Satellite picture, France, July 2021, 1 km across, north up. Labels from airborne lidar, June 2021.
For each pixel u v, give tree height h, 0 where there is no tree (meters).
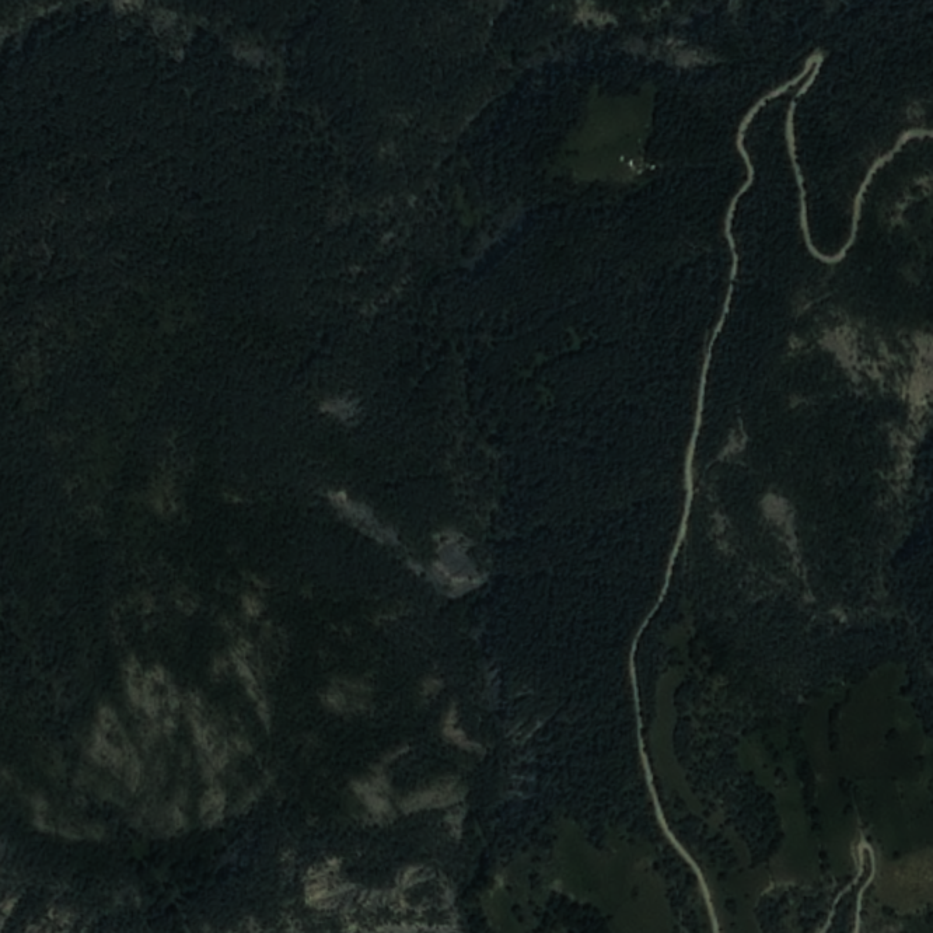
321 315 13
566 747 9
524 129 11
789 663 6
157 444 8
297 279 13
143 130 16
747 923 0
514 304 8
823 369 8
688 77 12
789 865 0
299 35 10
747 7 7
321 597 9
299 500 12
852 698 5
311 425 10
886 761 0
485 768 14
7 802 6
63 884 9
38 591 7
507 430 17
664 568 8
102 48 13
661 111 9
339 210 7
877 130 6
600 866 0
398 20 11
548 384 8
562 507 14
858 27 12
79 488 6
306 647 11
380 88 9
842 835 0
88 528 9
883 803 0
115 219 9
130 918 11
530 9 12
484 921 13
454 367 16
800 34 12
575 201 11
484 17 9
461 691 12
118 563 9
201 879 16
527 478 9
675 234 6
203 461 6
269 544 10
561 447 9
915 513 9
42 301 14
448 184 15
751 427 6
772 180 7
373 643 8
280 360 12
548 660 11
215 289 10
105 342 10
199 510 10
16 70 14
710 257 7
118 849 11
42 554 8
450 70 12
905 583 10
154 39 7
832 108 9
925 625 8
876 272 9
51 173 15
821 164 7
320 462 8
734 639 8
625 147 0
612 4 8
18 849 7
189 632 6
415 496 14
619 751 9
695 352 10
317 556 14
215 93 11
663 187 11
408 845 11
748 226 7
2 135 17
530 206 13
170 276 10
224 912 8
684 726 8
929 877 0
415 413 14
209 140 9
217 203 16
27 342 8
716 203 7
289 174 11
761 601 7
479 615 12
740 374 7
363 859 8
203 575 9
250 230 14
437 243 10
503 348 10
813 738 0
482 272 9
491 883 14
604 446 11
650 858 0
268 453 10
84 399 9
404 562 10
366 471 12
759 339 8
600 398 15
